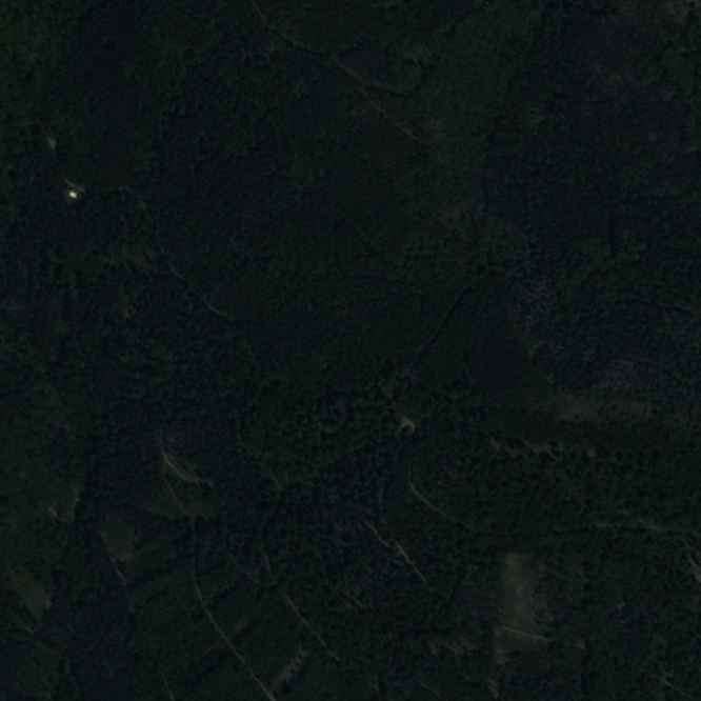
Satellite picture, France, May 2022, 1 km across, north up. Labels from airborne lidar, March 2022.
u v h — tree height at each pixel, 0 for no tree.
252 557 24
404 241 16
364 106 17
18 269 33
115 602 30
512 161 23
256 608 19
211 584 20
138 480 23
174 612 14
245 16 22
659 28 19
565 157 27
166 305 30
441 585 19
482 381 20
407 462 15
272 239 22
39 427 29
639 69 19
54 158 19
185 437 27
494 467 24
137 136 15
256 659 20
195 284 18
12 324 26
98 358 32
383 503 9
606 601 24
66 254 20
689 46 25
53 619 22
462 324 11
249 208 23
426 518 9
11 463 23
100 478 27
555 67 26
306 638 24
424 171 14
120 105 21
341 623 12
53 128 16
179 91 16
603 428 8
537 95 25
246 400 23
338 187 22
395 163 16
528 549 16
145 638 20
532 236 25
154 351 29
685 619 15
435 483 8
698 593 15
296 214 26
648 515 23
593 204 25
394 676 9
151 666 21
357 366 16
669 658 13
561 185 26
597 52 21
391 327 17
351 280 21
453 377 12
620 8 22
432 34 20
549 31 25
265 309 22
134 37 23
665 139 23
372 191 21
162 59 12
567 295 19
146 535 26
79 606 31
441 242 11
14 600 12
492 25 29
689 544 27
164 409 35
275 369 21
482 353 16
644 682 7
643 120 24
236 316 23
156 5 20
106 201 28
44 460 25
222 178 32
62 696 20
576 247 27
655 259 28
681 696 11
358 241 20
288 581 9
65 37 23
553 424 13
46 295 31
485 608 21
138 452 31
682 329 21
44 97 18
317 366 22
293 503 12
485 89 26
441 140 14
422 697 20
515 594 0
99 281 26
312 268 21
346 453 19
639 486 7
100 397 30
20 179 27
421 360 15
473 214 18
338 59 18
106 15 24
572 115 24
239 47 12
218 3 22
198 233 20
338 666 25
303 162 21
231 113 24
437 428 10
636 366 21
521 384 13
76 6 21
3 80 33
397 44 19
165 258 22
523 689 18
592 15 23
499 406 12
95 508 31
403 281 19
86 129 15
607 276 27
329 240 20
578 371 11
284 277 19
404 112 18
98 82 22
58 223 31
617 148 22
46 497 24
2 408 20
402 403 16
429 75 23
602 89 20
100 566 32
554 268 24
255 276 19
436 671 19
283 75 18
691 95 27
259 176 23
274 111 20
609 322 27
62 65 20
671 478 9
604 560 26
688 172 22
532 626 0
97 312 32
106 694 31
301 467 31
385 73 18
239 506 17
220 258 19
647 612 14
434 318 16
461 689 21
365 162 18
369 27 14
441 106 24
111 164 22
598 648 20
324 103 19
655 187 22
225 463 25
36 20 22
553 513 13
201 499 9
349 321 22
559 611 25
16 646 27
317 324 22
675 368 19
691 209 25
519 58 23
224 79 18
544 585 24
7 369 23
